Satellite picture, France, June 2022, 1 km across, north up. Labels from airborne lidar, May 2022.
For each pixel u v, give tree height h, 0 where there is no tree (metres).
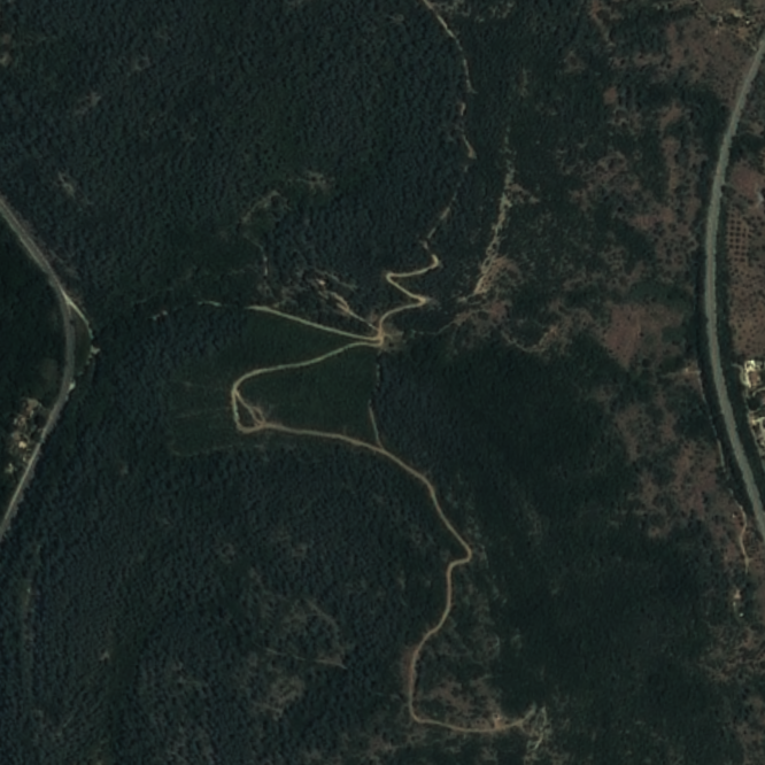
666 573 7
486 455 9
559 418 13
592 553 7
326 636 17
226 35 18
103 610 19
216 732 17
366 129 20
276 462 7
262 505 16
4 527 0
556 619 8
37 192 12
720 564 17
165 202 14
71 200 6
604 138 7
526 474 9
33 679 14
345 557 13
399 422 10
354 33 16
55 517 20
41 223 7
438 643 5
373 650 16
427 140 15
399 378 13
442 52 20
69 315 0
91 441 18
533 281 7
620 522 10
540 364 8
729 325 7
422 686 13
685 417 13
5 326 19
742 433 14
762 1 0
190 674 17
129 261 20
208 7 15
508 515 7
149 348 19
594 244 8
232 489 10
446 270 15
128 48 13
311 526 14
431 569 6
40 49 7
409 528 12
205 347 19
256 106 9
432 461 7
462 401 10
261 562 7
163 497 17
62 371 12
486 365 6
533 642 6
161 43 14
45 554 10
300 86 8
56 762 16
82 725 16
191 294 7
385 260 7
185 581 17
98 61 8
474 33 13
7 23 9
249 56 20
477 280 6
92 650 16
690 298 6
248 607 15
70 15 17
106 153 20
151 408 19
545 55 6
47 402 13
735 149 10
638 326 0
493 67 16
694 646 7
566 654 10
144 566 7
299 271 15
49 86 9
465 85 16
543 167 6
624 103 17
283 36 8
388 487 11
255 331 6
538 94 8
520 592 7
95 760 10
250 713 16
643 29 9
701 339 14
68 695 15
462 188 7
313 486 12
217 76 16
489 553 7
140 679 14
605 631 6
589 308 6
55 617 15
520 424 6
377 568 7
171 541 9
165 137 18
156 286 16
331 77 19
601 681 8
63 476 8
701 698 7
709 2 0
